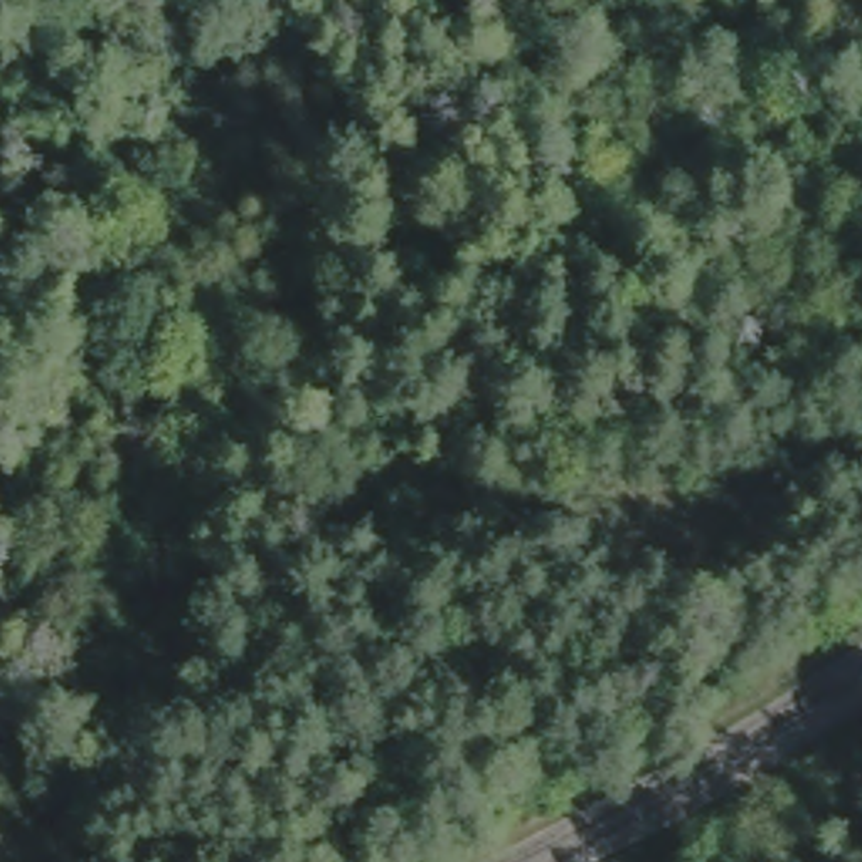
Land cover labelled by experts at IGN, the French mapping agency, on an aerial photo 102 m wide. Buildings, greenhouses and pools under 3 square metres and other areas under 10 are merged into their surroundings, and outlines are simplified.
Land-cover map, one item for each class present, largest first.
<instances>
[{"label":"coniferous trees","instance_id":"1","mask_svg":"<svg viewBox=\"0 0 862 862\"><path fill-rule=\"evenodd\" d=\"M64 0H0V77L37 91L40 108L61 111L71 131L67 145H57L47 138H27L10 118L0 138V862H195V852L202 845L222 838H229L232 845L239 838H253L229 862H495L522 838H532L535 832L566 818L572 798L583 791H606L613 801H626L643 768V751H684V758L673 764V774L690 778V771L707 758V744L717 727H737L758 707H771L788 694L795 697L798 660L811 650L842 643V636L855 623H862V306L852 296L855 286L835 266L838 226L828 222L822 202L825 192L835 189L842 178H855L862 189V141L838 145L828 158L818 162L808 158L805 175L791 185L781 152H774L771 158H748L741 135H721L714 121L721 118V104L737 101L754 88H764L768 81H774L778 67L788 71L798 81V88H805L815 98L818 108L835 104L845 108L852 118L862 111V0H81L88 7L91 24L81 30H57L54 10ZM118 138H152L162 158L192 152V182L185 189H168L162 195L158 189L145 185L128 172L108 175L104 165L91 158V152L108 148ZM138 276H155L165 286L192 290V310L205 323L209 370L199 384H185L175 394H145L135 401L114 391L101 377V370L81 364L84 320L74 310V296H81L91 306L98 300H125L131 279ZM286 626H296L306 643L303 670L290 673L286 680L266 677L263 660L279 647ZM751 795H744L741 815L714 818L721 825V842L707 862H862V815L849 825L842 818L822 825L781 778L758 774L748 785Z\"/></svg>","mask_w":862,"mask_h":862},{"label":"deciduous trees","instance_id":"2","mask_svg":"<svg viewBox=\"0 0 862 862\"><path fill-rule=\"evenodd\" d=\"M91 24L88 7L81 0H64L54 10L57 30H81ZM721 135H741L748 158H771L774 152H781L791 185L805 175L808 158L818 162L828 158L838 145L862 141V111L852 118L845 108L835 104L818 108L815 98L805 88H798V81L788 71L778 67L774 81H768L764 88H754L737 101L721 104V118L714 121ZM10 118L27 138H47L57 145H67L71 131L61 111L40 108L37 91L0 77V138ZM91 158L104 165L108 175L128 172L145 185L158 189L162 195L168 189H185L192 182V152L162 158L152 138H118L108 148L91 152ZM828 222L838 226L835 266L855 286L852 296L862 306V189L855 178H842L835 189L825 192L822 202ZM74 310L84 320L81 364L101 370V377L114 391L135 401L145 394H175L185 384H199L209 370L205 323L192 310V290L165 286L155 276H138L131 279L125 300H98L91 306L81 296H74ZM306 643L296 626H286L279 647L263 660L266 677L286 680L290 673L303 670ZM721 842V825L714 818L694 838L684 849L690 862H707ZM253 838H239L232 845L229 838H222L202 845L195 852V862H229Z\"/></svg>","mask_w":862,"mask_h":862},{"label":"impervious surface","instance_id":"3","mask_svg":"<svg viewBox=\"0 0 862 862\"><path fill-rule=\"evenodd\" d=\"M795 697L788 694L771 707H758L737 727H717L707 744V758L690 771V778L673 774V764L684 758V751H643V768L626 801H613L606 791H583L572 798L566 818L535 832L532 838H522L495 862H599L606 852L630 849L647 835L660 842V832L673 825H680L694 838L714 818L741 815L744 795H751L748 785L758 774L781 778L822 825L842 818L849 825L862 815V623H855L842 636V643L811 650L798 660Z\"/></svg>","mask_w":862,"mask_h":862},{"label":"herbaceous vegetation","instance_id":"4","mask_svg":"<svg viewBox=\"0 0 862 862\"><path fill-rule=\"evenodd\" d=\"M694 838L680 825H673L660 832V842L647 835L630 849L606 852L599 862H690L684 849Z\"/></svg>","mask_w":862,"mask_h":862}]
</instances>
